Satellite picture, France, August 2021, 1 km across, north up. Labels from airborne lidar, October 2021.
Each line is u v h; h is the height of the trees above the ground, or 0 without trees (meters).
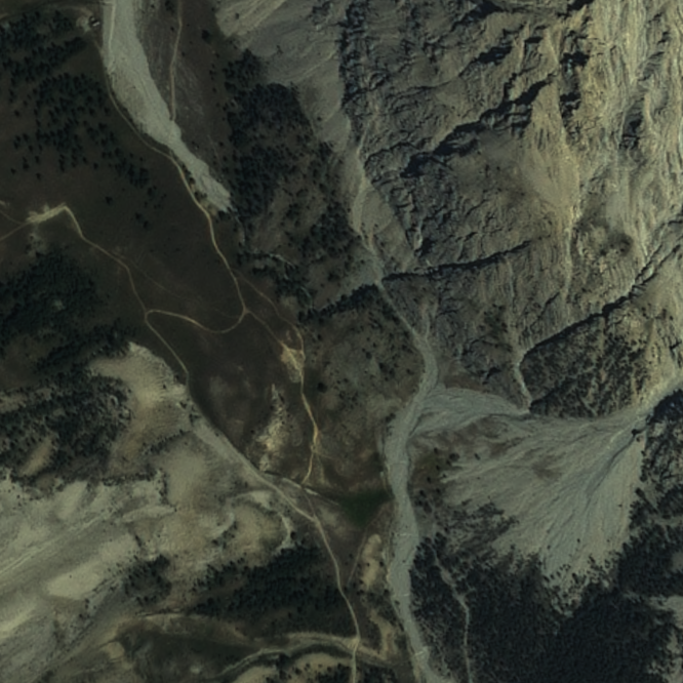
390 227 0
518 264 0
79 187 0
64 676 0
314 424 0
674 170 0
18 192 0
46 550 0
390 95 0
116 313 0
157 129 0
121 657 0
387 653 0
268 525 0
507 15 0
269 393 0
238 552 0
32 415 7
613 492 0
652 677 9
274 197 6
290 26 0
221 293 0
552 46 0
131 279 0
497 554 0
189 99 0
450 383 0
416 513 0
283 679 9
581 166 0
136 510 0
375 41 0
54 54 14
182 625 0
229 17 0
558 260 0
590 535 0
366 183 0
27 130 0
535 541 0
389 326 0
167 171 0
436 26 0
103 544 0
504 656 11
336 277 10
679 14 0
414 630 0
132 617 0
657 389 0
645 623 13
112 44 0
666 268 0
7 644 0
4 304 11
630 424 0
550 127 0
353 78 0
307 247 7
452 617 7
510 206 0
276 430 0
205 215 0
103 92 18
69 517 0
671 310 0
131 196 0
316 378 0
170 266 0
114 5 0
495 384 0
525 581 8
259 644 0
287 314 0
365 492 0
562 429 0
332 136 0
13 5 0
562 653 12
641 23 0
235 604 9
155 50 0
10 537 0
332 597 10
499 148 0
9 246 0
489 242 0
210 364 0
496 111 0
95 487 0
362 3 0
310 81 0
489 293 0
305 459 0
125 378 0
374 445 0
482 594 7
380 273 0
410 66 0
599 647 11
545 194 0
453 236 0
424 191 0
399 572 0
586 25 0
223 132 0
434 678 0
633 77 0
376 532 0
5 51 7
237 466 0
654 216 0
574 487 0
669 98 0
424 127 0
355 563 0
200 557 0
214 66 6
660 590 11
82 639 0
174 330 0
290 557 11
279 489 0
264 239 0
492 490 0
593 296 0
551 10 0
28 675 0
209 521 0
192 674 0
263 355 0
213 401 0
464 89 0
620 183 0
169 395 0
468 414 0
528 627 7
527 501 0
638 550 10
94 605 0
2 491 0
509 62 0
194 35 0
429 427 0
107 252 0
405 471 0
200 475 0
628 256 0
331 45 0
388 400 0
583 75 0
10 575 0
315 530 0
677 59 0
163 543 0
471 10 0
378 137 0
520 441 0
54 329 8
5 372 0
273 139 0
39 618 0
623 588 8
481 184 0
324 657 0
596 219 0
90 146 0
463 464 0
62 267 12
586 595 6
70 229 0
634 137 0
